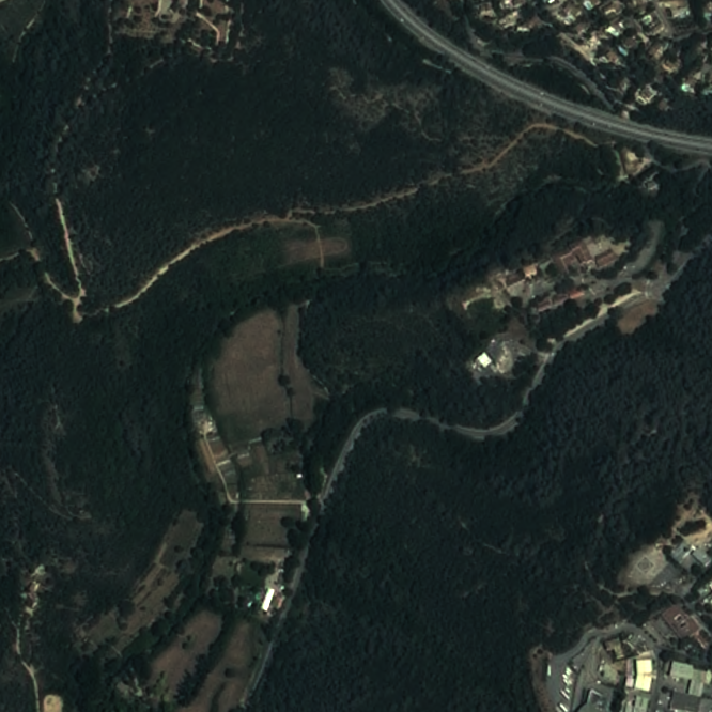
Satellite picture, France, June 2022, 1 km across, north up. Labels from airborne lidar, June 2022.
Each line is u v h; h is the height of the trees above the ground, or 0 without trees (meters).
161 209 6
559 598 10
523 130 6
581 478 12
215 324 18
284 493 0
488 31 12
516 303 11
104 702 7
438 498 8
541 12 16
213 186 7
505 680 8
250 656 0
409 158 6
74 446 9
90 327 13
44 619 7
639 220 11
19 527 6
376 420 16
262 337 0
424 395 11
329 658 8
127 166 7
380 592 14
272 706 10
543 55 15
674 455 20
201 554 19
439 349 8
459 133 7
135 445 25
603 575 9
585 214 9
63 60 13
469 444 12
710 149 0
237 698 0
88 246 12
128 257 13
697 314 14
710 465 18
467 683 13
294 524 16
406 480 6
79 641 8
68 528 7
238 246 7
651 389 8
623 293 12
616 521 20
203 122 7
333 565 19
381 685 11
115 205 6
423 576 8
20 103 11
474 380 8
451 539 8
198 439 9
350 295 12
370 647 20
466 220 6
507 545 17
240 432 0
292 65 8
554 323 14
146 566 9
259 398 0
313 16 8
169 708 24
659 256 6
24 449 7
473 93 14
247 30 6
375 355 8
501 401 8
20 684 7
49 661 7
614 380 10
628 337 9
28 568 14
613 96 7
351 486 9
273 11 7
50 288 9
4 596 12
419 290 10
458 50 0
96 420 11
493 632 6
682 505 6
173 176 6
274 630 22
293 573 7
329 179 7
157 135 8
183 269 9
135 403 12
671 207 16
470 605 8
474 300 0
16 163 8
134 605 14
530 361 13
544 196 17
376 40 14
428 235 6
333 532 20
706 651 8
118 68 12
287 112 9
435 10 13
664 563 0
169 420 13
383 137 7
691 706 0
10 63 16
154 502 12
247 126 6
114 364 11
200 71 10
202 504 10
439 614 6
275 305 14
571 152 7
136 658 15
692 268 14
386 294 26
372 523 10
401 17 0
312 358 9
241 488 6
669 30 0
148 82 10
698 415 21
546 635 6
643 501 10
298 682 13
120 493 7
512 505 10
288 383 14
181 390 17
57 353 9
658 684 0
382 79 7
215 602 15
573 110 0
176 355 16
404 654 10
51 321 10
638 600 14
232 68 8
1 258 0
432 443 11
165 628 19
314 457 17
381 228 6
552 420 11
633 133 0
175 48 10
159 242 13
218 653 14
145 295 9
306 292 15
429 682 15
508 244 16
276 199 6
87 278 7
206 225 6
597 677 0
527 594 6
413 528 10
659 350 14
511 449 19
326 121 7
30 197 8
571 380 18
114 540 8
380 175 7
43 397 10
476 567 8
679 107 22
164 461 12
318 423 8
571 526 6
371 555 15
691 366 22
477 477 17
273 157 7
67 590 10
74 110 11
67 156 5
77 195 8
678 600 16
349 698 15
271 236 5
